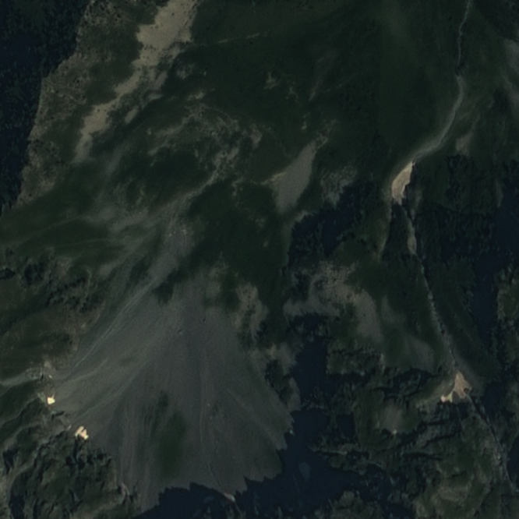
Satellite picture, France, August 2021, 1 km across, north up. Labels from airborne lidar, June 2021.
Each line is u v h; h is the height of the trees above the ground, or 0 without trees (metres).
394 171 0
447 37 0
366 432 0
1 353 0
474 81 0
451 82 0
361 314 0
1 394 0
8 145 6
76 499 0
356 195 7
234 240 0
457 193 6
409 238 0
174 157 0
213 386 0
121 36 0
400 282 0
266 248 0
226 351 0
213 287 0
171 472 0
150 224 0
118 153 0
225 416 0
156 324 0
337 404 0
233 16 0
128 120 0
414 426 0
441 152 0
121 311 0
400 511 0
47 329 0
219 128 0
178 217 0
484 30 0
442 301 0
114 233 0
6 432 0
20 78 11
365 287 0
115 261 0
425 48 0
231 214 0
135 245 0
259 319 0
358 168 0
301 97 0
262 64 0
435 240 8
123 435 0
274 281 0
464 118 0
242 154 0
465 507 0
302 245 8
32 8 0
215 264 0
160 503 0
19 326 0
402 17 0
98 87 0
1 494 0
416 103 0
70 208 0
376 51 0
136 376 0
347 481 0
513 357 0
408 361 0
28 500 0
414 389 0
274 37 0
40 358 0
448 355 0
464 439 0
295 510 0
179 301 0
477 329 0
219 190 0
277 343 0
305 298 0
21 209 0
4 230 0
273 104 0
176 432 0
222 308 0
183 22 0
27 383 0
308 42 0
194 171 0
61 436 0
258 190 0
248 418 0
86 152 0
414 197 0
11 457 0
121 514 0
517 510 0
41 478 0
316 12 0
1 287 0
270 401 0
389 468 0
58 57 7
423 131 0
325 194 0
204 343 0
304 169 0
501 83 0
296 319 0
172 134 0
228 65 0
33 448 0
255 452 0
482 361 0
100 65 0
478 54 0
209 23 0
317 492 0
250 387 0
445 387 0
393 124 0
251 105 0
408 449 0
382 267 0
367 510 0
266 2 0
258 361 0
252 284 0
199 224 0
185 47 0
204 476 0
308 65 0
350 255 0
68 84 0
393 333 0
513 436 0
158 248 0
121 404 0
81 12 10
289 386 0
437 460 0
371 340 0
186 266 0
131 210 0
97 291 0
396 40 0
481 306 0
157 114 0
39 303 0
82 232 0
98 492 0
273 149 0
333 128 0
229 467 0
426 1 0
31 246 0
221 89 0
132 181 0
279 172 0
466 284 0
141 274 0
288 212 0
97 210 0
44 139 0
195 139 0
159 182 0
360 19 0
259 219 0
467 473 0
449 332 0
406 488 0
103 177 0
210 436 0
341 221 13
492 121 0
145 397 0
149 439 0
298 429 0
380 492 0
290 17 0
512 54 0
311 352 0
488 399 0
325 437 0
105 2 6
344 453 0
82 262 0
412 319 0
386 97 0
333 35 0
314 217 0
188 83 0
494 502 0
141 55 0
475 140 0
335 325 0
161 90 0
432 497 0
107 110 0
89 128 0
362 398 0
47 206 0
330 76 0
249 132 0
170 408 0
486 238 7
